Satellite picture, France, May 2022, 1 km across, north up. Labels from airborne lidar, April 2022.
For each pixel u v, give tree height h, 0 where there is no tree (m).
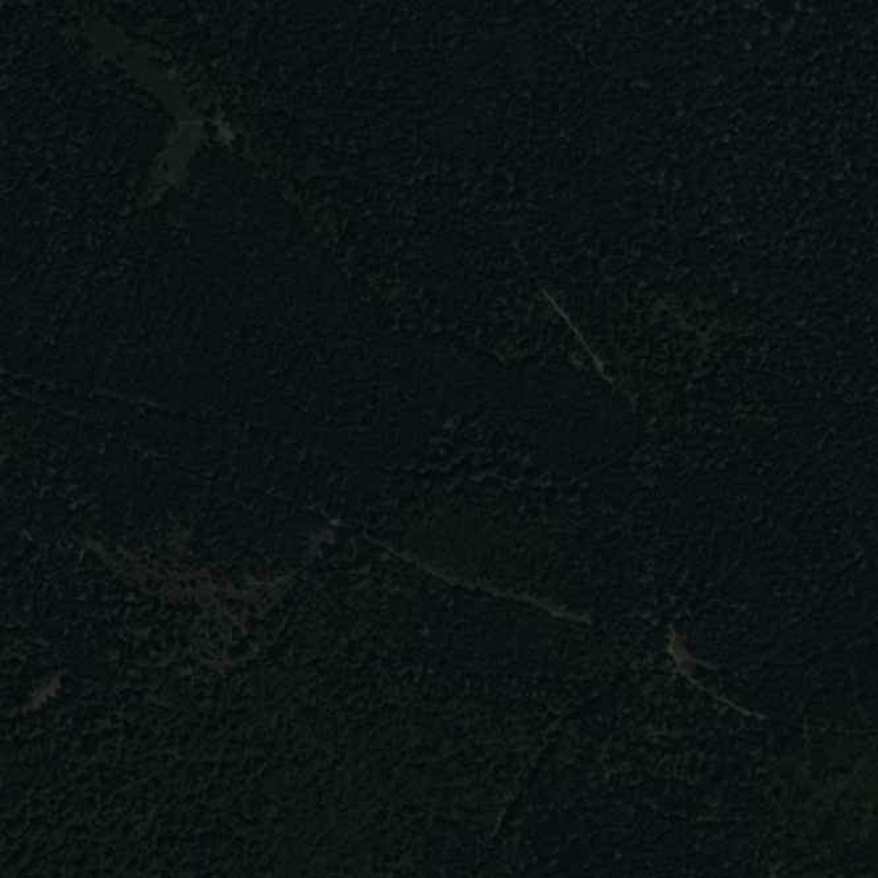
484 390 28
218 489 24
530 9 21
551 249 23
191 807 11
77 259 20
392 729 14
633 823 15
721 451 24
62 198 23
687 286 23
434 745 16
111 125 23
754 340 11
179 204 30
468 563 11
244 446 25
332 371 27
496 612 13
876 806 16
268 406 25
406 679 13
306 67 25
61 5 15
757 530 20
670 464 20
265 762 17
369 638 12
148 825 11
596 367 8
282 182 15
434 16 19
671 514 19
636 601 24
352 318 32
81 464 21
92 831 10
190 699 8
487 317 19
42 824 19
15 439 16
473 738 11
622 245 22
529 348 15
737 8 33
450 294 22
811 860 9
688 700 18
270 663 13
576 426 29
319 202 13
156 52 25
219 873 17
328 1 25
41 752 8
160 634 22
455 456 19
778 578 21
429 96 25
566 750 17
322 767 6
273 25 27
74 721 19
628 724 15
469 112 24
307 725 14
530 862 22
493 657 13
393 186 17
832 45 26
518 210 20
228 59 26
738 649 19
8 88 20
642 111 28
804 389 23
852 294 25
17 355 22
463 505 14
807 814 16
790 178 9
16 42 22
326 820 14
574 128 31
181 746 16
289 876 15
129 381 18
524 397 29
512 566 11
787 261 24
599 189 26
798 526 21
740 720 12
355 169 22
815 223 33
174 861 9
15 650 26
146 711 12
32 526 27
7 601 24
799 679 18
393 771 12
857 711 10
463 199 19
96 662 19
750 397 20
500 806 14
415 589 13
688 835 23
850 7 27
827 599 18
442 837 19
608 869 17
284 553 24
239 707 7
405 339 28
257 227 29
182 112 0
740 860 21
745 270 33
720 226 31
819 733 13
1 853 10
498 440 24
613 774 20
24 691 13
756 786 16
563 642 11
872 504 22
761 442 22
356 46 25
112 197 22
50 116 16
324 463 22
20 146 20
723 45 30
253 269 24
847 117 29
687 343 11
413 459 24
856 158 29
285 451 25
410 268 18
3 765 13
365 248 21
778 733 18
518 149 26
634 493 19
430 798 10
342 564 18
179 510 19
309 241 30
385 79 25
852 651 17
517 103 27
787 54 32
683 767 14
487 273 14
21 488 27
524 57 27
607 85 10
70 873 13
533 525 10
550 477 8
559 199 25
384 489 24
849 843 13
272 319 23
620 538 19
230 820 14
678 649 0
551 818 21
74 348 20
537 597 8
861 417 24
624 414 28
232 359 21
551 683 17
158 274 22
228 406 27
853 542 16
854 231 28
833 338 33
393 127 27
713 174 31
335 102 26
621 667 8
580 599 21
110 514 22
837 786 12
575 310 15
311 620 14
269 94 17
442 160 22
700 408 17
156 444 27
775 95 30
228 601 6
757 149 27
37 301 19
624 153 26
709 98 28
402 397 20
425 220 22
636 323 15
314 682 15
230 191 30
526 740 14
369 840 16
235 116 16
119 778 18
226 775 15
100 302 23
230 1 12
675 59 32
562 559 10
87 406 25
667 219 25
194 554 22
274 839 15
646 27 31
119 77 27
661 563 22
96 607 25
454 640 10
